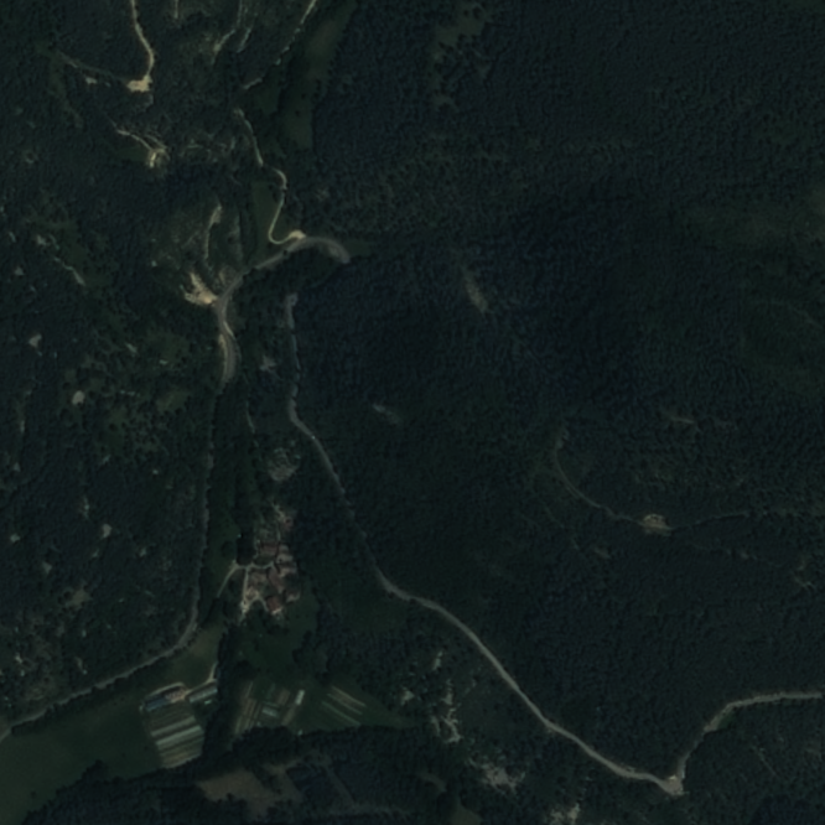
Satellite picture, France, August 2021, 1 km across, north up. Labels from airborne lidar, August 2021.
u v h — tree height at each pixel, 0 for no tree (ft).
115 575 46
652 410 74
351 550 54
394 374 51
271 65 39
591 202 74
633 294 43
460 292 24
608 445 53
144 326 46
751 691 92
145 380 37
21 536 26
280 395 31
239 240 39
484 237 29
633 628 81
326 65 0
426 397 65
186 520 52
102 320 30
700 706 83
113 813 48
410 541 31
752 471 86
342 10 25
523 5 42
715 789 64
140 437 18
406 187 40
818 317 24
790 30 33
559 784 22
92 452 42
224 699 55
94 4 33
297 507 39
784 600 37
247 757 57
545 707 23
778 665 83
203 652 0
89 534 52
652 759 83
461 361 62
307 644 44
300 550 50
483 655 23
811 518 77
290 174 48
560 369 35
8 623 48
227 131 31
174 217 30
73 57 39
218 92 47
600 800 32
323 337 45
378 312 64
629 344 42
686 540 61
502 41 41
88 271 30
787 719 63
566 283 73
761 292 32
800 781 37
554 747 61
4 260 35
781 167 36
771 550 77
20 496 70
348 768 59
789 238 18
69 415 52
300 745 67
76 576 49
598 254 47
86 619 26
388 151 40
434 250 44
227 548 43
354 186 29
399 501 43
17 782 0
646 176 54
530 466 29
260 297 21
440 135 24
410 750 57
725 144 60
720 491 77
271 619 46
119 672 42
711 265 55
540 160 43
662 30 59
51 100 31
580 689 91
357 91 31
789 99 46
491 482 26
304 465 36
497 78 53
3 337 55
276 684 0
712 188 40
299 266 39
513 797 20
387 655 66
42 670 48
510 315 48
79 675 54
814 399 23
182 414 58
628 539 63
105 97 37
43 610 58
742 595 79
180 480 31
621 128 50
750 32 26
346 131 31
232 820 48
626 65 54
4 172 36
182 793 63
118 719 0
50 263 24
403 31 41
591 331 53
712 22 28
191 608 55
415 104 34
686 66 45
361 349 59
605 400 52
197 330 64
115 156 49
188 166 45
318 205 62
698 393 78
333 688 0
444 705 20
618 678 72
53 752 0
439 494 48
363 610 19
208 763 79
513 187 53
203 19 55
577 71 57
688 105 49
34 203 32
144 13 59
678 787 0
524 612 41
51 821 45
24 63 35
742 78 46
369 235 41
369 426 38
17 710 26
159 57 27
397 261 63
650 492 37
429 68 32
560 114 62
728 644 87
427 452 31
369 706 0
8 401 33
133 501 50
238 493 22
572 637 86
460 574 38
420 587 41
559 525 31
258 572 0
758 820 50
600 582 68
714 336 49
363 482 52
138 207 43
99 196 44
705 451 77
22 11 30
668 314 50
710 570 65
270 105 0
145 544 34
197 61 26
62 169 31
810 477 80
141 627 28
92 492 62
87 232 52
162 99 35
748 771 59
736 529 83
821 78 28
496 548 32
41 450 57
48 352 41
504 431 36
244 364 31
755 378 67
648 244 66
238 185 30
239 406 63
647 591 73
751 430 68
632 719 71
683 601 29
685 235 53
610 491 46
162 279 29
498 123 47
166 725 0
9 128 48
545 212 75
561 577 78
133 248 42
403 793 74
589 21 53
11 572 44
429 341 58
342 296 65
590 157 39
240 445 51
